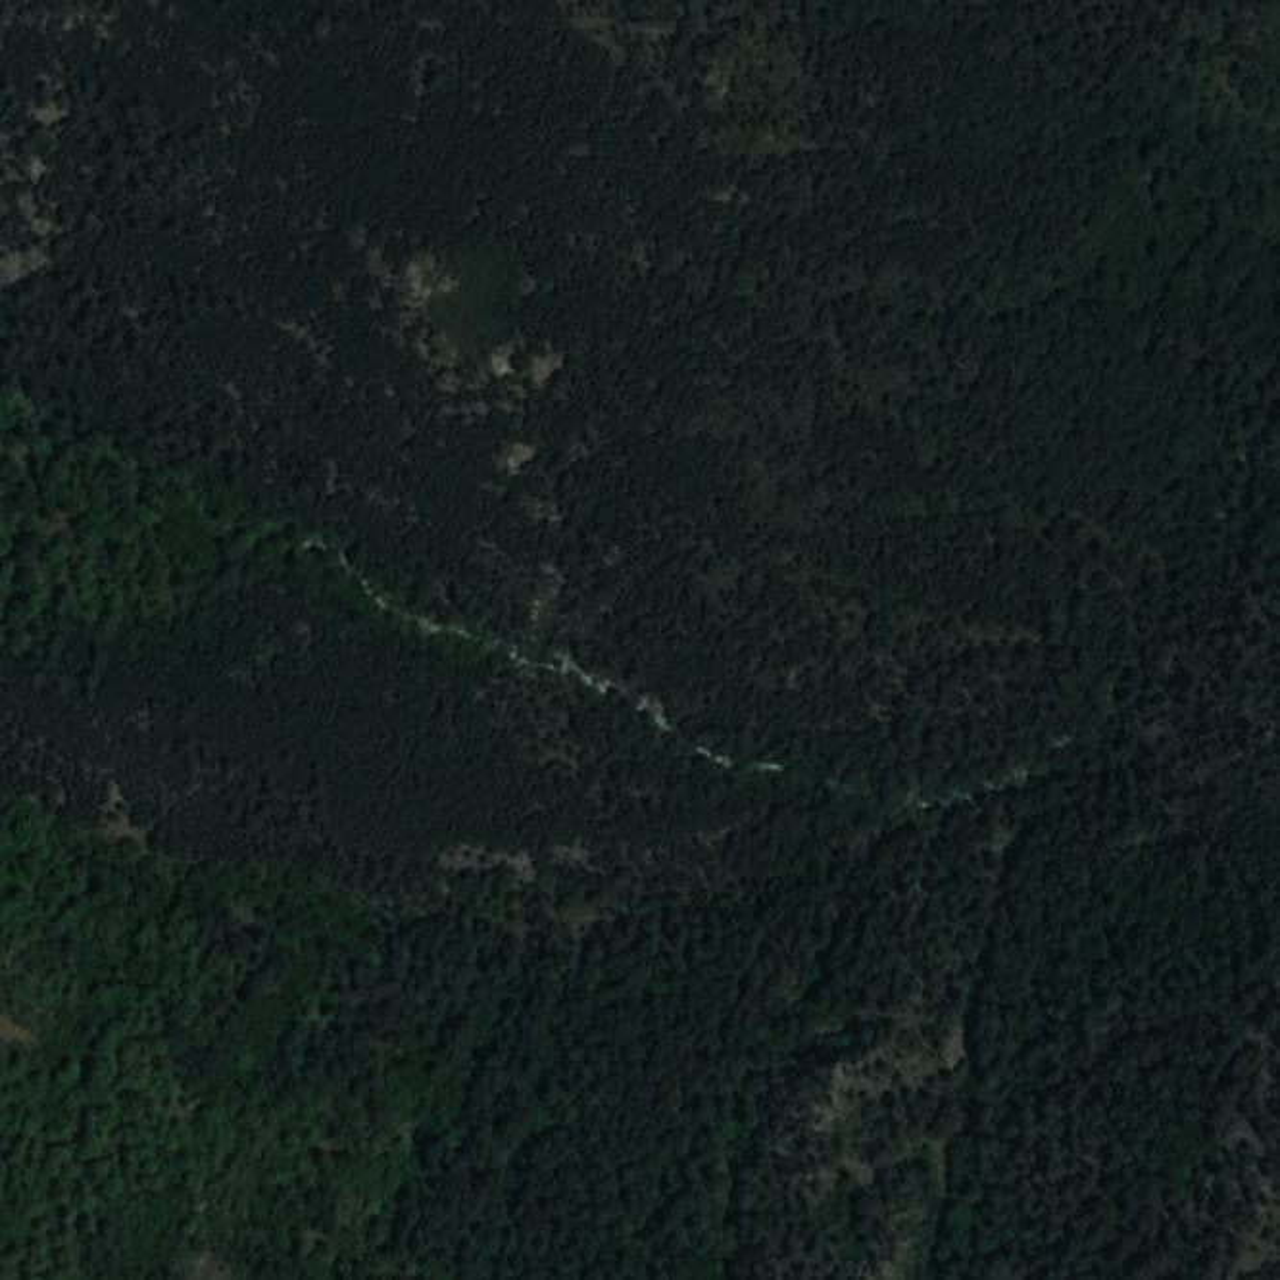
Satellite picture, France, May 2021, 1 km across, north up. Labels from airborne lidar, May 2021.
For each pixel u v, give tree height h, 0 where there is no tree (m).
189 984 22
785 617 14
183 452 22
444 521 17
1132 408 31
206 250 9
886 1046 9
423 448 22
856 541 17
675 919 30
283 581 15
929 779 36
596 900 17
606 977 11
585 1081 33
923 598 19
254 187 11
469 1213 29
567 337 16
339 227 14
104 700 13
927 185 26
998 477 22
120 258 16
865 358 14
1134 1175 28
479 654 10
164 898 11
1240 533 15
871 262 16
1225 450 11
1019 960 30
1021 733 30
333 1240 11
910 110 19
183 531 17
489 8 13
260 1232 9
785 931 24
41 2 16
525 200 16
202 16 16
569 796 15
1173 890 15
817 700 14
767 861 23
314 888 15
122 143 11
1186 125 23
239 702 17
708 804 17
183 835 14
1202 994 25
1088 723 24
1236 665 15
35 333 34
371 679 16
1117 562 18
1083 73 7
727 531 17
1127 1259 20
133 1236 12
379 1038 32
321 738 16
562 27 17
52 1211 6
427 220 18
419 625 10
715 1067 31
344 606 19
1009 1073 28
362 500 16
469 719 18
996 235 19
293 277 16
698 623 15
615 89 12
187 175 22
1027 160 24
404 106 17
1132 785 30
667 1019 27
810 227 18
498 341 15
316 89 15
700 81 10
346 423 13
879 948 26
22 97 10
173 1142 19
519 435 15
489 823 16
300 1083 24
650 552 17
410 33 16
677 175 17
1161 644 16
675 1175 17
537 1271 32
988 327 22
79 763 15
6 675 19
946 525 16
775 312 16
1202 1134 14
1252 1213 15
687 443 16
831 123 16
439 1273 16
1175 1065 21
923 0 21
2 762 21
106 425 13
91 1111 17
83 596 15
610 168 18
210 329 14
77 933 21
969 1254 14
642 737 17
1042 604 20
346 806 17
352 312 12
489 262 16
